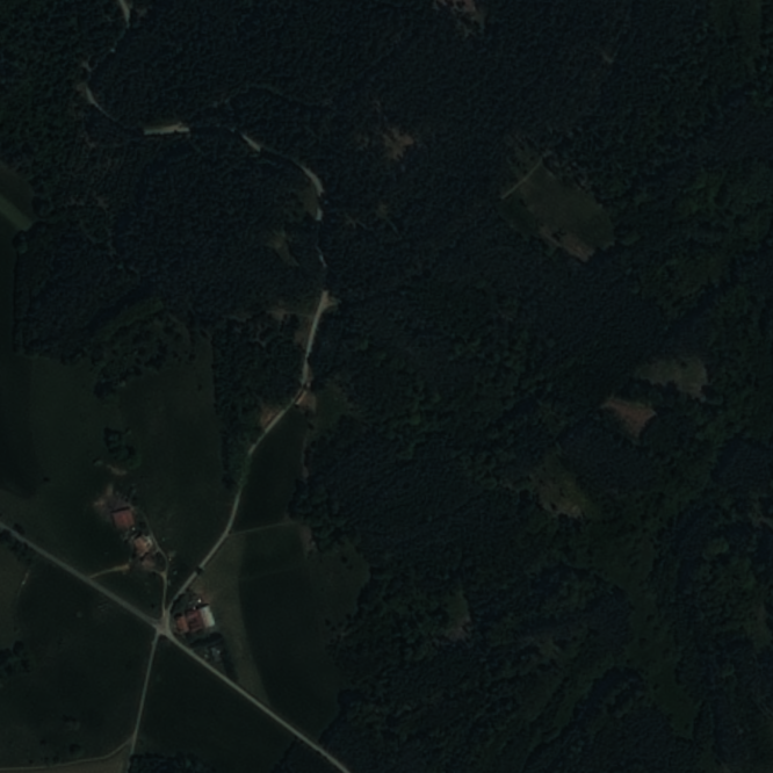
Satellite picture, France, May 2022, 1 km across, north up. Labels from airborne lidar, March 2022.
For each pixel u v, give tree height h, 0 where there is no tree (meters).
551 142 24
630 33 30
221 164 26
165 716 0
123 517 0
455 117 23
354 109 28
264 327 6
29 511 0
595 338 21
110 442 15
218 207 28
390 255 27
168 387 0
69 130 8
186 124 16
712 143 29
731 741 27
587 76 30
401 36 0
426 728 9
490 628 35
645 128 24
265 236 25
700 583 34
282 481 0
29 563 6
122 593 0
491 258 24
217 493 0
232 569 0
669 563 11
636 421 30
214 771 18
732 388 19
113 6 19
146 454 0
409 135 28
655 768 29
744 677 22
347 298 27
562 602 30
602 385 15
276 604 0
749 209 20
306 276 29
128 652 0
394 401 24
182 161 26
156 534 0
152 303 33
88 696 0
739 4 6
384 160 29
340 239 27
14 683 0
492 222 25
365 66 21
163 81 20
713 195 7
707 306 31
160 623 0
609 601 28
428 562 20
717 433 30
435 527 20
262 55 22
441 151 29
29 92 6
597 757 26
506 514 10
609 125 21
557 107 26
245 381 20
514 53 29
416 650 36
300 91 31
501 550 20
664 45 28
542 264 28
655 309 19
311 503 9
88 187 7
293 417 0
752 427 11
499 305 7
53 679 0
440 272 24
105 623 0
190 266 35
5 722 0
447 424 17
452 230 27
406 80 30
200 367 0
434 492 16
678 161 29
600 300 28
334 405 0
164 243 31
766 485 31
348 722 17
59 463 0
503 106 30
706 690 10
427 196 32
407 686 15
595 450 31
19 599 0
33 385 0
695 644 9
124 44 22
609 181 18
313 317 0
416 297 13
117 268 35
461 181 33
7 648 0
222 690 0
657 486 15
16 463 0
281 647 0
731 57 13
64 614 0
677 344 24
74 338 17
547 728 16
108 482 0
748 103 26
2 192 0
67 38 16
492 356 28
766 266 25
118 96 24
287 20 23
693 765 15
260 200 27
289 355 14
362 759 20
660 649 0
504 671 29
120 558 0
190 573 0
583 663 13
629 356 16
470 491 17
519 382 27
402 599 21
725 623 33
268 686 0
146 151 9
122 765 0
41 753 0
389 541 18
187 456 0
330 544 24
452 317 15
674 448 12
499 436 12
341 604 0
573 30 24
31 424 0
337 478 23
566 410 23
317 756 11
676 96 22
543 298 30
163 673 0
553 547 20
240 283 30
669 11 27
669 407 30
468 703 16
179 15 29
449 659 15
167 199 30
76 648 0
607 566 0
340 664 9
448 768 15
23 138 22
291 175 28
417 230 33
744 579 36
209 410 0
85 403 0
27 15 8
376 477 18
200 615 0
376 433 16
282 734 0
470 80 36
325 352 17
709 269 0
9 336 0
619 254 22
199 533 0
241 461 24
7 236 0
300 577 0
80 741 0
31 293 13
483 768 9
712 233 27
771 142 32
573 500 0
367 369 21
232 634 0
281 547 0
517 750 17
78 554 0
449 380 26
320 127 37
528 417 28
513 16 34
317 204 0
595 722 26
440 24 29
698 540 22
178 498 0
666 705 0
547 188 0
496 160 27
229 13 24
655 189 25
